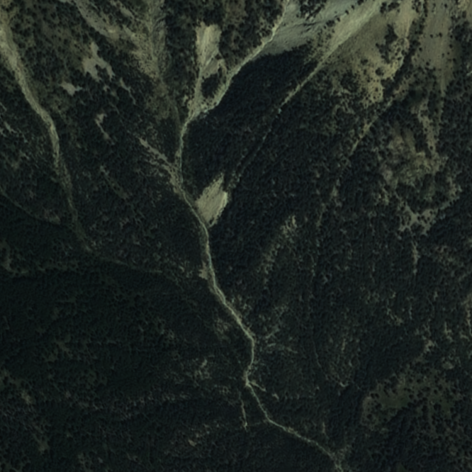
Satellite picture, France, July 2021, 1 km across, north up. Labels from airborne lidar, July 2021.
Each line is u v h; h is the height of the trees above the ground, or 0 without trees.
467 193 11
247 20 16
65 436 18
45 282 23
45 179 25
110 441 24
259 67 9
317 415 10
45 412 27
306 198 11
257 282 8
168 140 7
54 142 0
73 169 8
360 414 15
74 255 9
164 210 8
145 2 0
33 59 9
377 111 8
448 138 15
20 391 7
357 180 15
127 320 12
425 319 11
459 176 12
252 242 12
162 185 7
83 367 19
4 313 20
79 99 9
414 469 18
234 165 17
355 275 9
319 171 10
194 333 8
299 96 6
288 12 0
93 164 23
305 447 11
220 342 6
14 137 8
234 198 10
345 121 7
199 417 10
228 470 23
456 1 0
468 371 12
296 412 15
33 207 23
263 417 8
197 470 16
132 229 13
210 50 0
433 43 0
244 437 14
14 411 22
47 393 18
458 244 16
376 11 0
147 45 0
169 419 23
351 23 0
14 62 0
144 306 15
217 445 18
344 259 10
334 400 15
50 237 15
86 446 23
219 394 11
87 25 9
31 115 9
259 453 13
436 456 12
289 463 11
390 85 13
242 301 7
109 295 16
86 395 14
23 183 9
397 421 20
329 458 14
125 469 19
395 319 9
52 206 21
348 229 16
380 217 13
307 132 12
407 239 18
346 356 8
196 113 0
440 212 11
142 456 21
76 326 16
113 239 12
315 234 9
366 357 12
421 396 11
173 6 7
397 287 13
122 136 16
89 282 12
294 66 15
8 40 0
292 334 11
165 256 10
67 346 10
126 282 10
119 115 13
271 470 18
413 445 13
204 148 8
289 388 10
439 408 17
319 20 0
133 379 33
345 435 9
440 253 8
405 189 16
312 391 8
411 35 0
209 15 16
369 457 16
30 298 25
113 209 17
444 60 0
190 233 7
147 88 8
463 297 8
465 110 18
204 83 5
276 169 13
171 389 13
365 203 19
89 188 10
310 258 15
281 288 10
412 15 0
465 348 7
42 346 17
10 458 12
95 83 16
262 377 8
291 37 0
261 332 8
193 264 6
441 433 12
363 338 7
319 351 10
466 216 13
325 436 12
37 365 19
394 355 15
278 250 11
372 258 17
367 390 12
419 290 8
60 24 9
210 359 7
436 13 0
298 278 9
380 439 19
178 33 17
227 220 15
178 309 14
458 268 7
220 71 9
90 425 18
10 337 21
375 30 0
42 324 19
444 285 8
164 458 23
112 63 15
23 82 0
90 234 16
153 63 0
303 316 15
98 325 20
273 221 13
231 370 8
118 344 17
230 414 9
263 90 9
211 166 14
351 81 8
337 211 13
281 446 8
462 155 14
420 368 9
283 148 18
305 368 12
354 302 14
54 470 22
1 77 9
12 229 24
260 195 17
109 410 20
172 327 8
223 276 11
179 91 12
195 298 7
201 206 0
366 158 7
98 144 24
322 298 14
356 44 0
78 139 12
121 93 26
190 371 8
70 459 16
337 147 10
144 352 14
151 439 19
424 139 8
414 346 13
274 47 0
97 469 23
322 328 12
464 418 11
